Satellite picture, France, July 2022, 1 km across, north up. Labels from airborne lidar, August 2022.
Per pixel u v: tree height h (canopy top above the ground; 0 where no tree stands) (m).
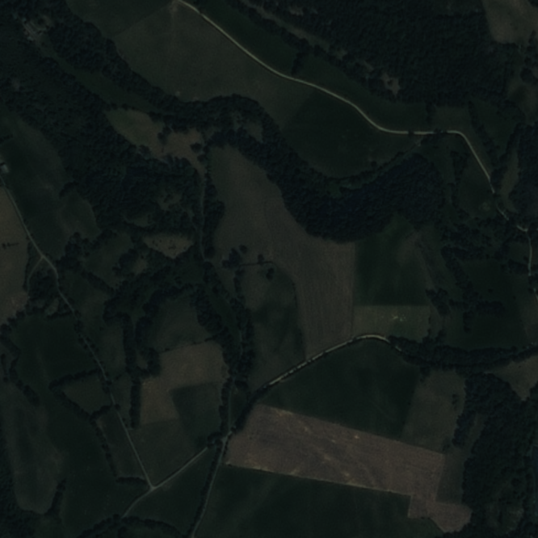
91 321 0
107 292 16
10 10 20
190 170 23
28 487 0
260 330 0
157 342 0
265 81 0
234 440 0
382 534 0
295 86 0
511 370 0
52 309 0
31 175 0
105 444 6
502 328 0
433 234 0
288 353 0
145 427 0
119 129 0
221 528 0
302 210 26
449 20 15
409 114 0
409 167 27
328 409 0
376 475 0
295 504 0
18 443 0
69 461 0
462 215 12
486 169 0
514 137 14
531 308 0
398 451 0
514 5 0
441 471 0
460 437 19
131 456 0
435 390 0
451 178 0
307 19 18
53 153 0
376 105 0
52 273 8
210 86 0
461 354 21
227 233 0
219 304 0
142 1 0
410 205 24
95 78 0
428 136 12
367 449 0
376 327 0
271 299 0
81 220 0
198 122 20
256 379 0
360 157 0
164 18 0
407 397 0
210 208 6
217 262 0
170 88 0
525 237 11
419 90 16
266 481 0
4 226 0
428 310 0
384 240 0
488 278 0
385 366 0
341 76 0
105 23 0
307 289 0
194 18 0
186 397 0
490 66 9
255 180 0
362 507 0
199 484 0
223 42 0
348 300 0
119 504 0
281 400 0
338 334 0
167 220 9
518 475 17
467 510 0
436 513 0
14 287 0
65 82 24
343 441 0
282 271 0
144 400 0
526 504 19
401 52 9
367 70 8
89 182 19
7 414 0
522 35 0
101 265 0
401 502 0
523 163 13
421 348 18
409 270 0
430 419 0
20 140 0
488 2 0
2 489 13
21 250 0
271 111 0
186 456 0
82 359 0
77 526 0
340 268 0
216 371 0
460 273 19
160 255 15
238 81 0
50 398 0
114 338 0
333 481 0
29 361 0
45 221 0
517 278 0
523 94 0
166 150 0
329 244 0
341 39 19
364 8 16
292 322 0
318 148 0
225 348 15
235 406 0
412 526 0
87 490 0
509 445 13
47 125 9
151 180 22
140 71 0
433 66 16
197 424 0
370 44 13
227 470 0
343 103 0
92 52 13
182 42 0
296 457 0
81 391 0
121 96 0
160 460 0
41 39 0
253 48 0
